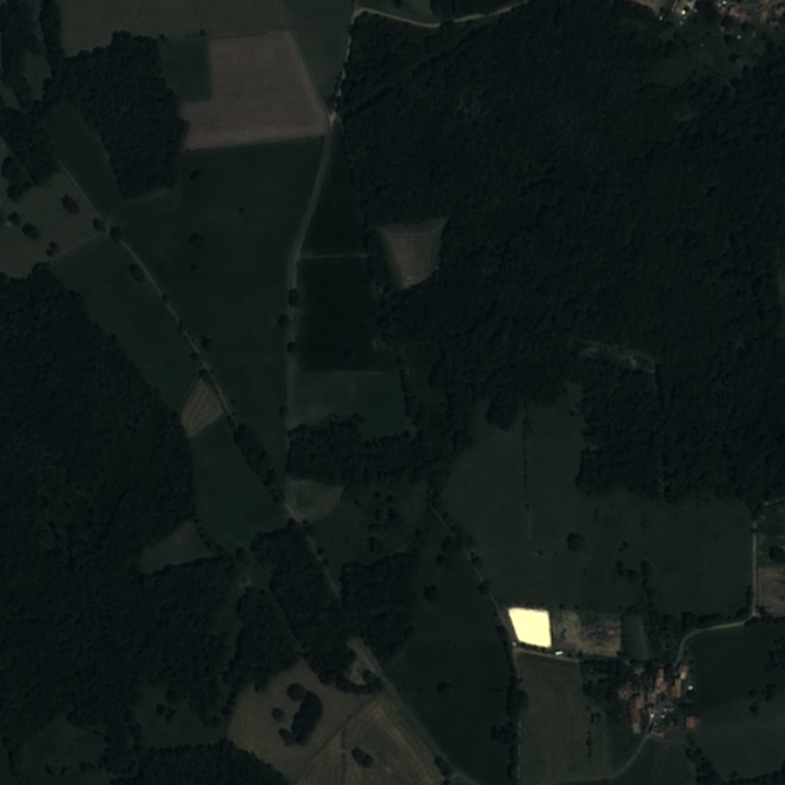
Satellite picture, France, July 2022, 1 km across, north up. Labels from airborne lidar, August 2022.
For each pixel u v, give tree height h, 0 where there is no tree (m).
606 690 8
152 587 18
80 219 0
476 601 0
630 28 7
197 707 16
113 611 19
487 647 0
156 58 23
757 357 23
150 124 19
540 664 0
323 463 13
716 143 26
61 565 23
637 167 20
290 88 0
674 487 16
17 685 16
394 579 21
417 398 9
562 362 13
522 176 21
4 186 0
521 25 10
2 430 19
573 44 14
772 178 15
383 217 13
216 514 0
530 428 8
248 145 0
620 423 18
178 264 0
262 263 0
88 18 0
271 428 0
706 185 17
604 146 16
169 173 16
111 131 16
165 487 8
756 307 22
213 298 0
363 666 0
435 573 0
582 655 12
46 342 13
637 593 0
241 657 18
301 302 11
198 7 0
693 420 22
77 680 15
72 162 0
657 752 0
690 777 0
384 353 0
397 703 0
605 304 27
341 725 0
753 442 18
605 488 14
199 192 0
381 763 0
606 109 15
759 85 16
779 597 0
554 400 10
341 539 0
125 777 12
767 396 11
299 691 17
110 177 0
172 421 9
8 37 30
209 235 0
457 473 0
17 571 15
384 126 16
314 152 0
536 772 0
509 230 22
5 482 14
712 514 0
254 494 0
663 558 0
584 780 0
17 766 16
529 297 21
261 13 0
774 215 11
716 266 27
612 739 0
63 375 18
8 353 17
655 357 20
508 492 0
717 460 23
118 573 19
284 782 19
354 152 13
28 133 21
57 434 19
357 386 0
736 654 0
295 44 0
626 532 0
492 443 0
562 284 24
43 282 11
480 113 17
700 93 13
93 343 14
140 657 20
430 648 0
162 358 0
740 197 18
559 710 0
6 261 0
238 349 0
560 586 0
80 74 21
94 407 17
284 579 19
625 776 0
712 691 0
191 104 0
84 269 0
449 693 17
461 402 22
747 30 14
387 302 12
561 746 0
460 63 15
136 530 19
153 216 0
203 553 0
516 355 24
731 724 0
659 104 13
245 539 0
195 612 20
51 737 0
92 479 19
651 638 8
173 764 20
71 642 22
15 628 18
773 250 10
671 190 16
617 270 25
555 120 20
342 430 20
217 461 0
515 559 0
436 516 7
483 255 32
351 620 12
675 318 17
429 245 0
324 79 0
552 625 0
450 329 16
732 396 18
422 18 0
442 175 17
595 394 17
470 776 0
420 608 0
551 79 16
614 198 25
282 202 0
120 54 18
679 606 0
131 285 0
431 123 7
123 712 15
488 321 20
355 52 8
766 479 18
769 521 0
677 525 0
